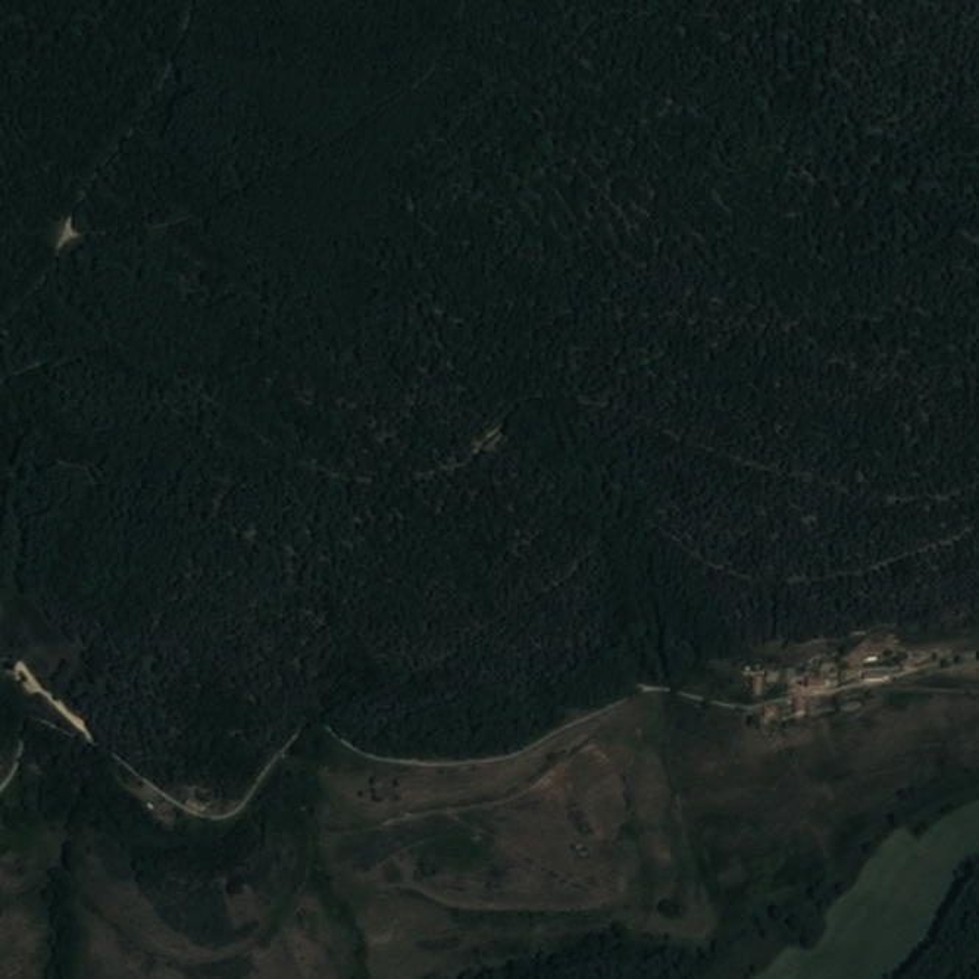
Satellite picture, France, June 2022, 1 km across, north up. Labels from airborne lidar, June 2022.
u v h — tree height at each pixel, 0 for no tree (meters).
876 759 0
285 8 12
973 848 0
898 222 19
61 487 34
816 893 16
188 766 10
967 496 16
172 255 15
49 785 13
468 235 12
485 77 6
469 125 11
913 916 0
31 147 9
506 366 13
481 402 22
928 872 0
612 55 11
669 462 16
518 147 9
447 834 0
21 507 27
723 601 21
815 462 16
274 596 15
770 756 0
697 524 17
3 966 0
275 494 19
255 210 13
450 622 17
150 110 8
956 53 19
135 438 29
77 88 10
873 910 0
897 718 0
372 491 19
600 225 10
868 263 19
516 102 8
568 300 12
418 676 13
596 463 17
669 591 25
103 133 13
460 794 0
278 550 8
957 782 0
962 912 25
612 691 25
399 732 16
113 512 16
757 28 17
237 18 13
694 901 0
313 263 12
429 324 16
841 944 0
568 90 10
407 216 10
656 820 0
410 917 0
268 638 22
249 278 8
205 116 23
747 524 18
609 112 11
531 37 8
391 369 8
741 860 0
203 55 13
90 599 15
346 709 18
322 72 9
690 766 0
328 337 11
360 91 10
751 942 0
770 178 11
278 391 12
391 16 11
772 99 25
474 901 0
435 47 12
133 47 10
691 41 15
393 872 0
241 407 10
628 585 20
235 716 12
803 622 16
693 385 17
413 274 12
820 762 0
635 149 8
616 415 17
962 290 20
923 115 15
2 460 10
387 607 18
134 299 25
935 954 27
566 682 28
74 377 25
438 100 9
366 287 11
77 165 11
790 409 14
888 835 0
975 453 19
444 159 10
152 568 17
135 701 11
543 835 0
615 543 20
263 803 16
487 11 9
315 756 7
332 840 0
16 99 10
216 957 0
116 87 8
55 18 10
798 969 0
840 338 17
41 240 9
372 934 0
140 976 0
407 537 22
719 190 10
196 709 14
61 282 6
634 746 0
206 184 9
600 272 10
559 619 17
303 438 8
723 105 21
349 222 12
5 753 6
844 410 15
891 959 0
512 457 16
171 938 0
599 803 0
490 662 20
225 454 12
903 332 9
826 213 21
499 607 13
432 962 0
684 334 14
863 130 24
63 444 18
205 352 23
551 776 0
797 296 11
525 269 15
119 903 0
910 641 0
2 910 10
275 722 16
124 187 7
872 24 18
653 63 20
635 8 9
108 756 12
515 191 7
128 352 6
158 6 11
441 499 19
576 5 17
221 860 7
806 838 0
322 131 12
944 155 30
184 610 17
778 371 22
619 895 0
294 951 0
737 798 0
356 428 13
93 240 13
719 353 18
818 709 0
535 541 10
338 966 0
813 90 20
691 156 9
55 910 19
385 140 10
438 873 10
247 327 17
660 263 11
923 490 16
